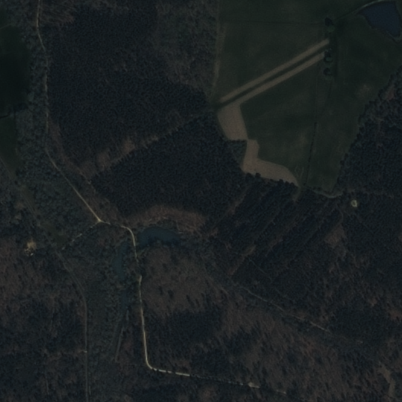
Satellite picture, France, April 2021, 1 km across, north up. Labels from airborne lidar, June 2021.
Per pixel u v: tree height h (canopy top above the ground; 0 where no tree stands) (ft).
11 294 39
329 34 0
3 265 30
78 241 43
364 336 67
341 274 39
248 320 49
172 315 36
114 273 39
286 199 67
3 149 0
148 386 28
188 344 62
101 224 31
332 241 47
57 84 46
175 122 60
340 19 0
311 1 0
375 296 54
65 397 25
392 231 48
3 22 0
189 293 30
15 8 85
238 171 48
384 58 0
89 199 41
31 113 76
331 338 20
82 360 44
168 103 65
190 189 60
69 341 51
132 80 59
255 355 34
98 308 52
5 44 0
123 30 51
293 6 0
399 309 52
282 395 42
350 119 0
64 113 52
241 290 24
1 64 0
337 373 43
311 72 0
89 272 47
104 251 49
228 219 20
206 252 69
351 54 0
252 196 28
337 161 0
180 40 54
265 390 62
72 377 45
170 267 48
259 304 52
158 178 61
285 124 0
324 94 0
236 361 35
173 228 19
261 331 32
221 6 0
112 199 69
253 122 0
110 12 52
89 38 57
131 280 50
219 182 59
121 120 67
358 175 68
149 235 0
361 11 0
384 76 0
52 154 29
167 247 36
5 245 44
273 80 0
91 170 49
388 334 59
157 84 59
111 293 66
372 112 48
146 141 72
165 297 48
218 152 63
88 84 47
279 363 36
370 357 30
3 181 53
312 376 41
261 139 0
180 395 37
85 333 49
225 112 0
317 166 0
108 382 49
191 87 55
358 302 61
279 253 65
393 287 47
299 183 0
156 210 40
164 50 51
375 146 69
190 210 70
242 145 24
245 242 63
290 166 0
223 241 23
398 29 0
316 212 24
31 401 26
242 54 0
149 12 51
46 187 69
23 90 0
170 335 61
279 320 46
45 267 53
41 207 64
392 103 24
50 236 49
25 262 22
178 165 61
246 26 0
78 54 55
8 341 45
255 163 0
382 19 0
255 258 21
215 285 50
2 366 46
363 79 0
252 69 0
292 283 54
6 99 0
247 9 0
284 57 0
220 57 0
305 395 48
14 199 79
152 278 43
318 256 57
